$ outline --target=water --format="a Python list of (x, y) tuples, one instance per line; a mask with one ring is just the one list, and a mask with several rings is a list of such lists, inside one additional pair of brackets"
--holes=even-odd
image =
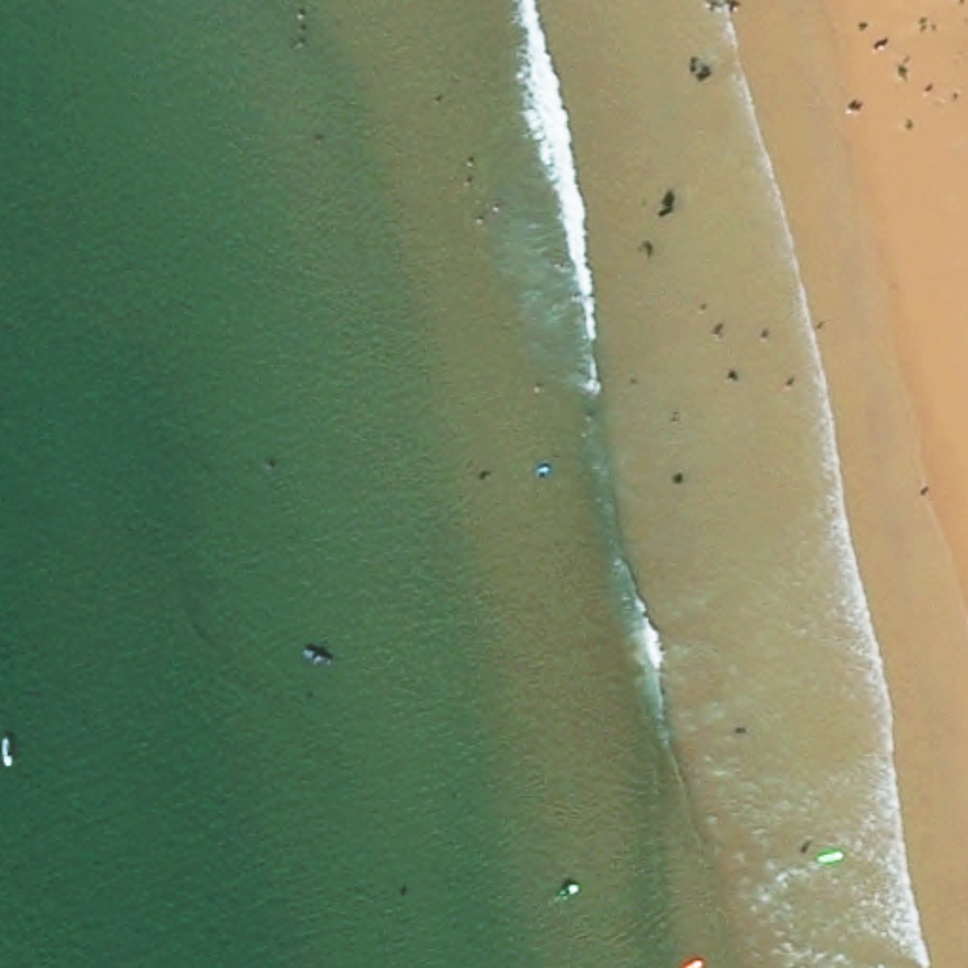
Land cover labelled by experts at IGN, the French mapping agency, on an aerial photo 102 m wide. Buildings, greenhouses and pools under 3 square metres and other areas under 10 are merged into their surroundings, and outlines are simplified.
[(703, 110), (722, 95), (722, 83), (696, 79), (688, 72), (688, 61), (673, 53), (669, 19), (681, 0), (0, 0), (0, 968), (870, 968), (870, 957), (862, 949), (866, 904), (855, 892), (851, 877), (839, 870), (839, 862), (824, 866), (817, 858), (824, 851), (843, 851), (843, 836), (824, 832), (817, 824), (809, 771), (813, 718), (805, 715), (805, 692), (813, 688), (813, 677), (790, 658), (790, 635), (775, 624), (775, 597), (768, 594), (756, 571), (756, 563), (764, 560), (764, 541), (752, 529), (756, 507), (745, 503), (741, 492), (718, 495), (715, 480), (703, 476), (703, 461), (711, 458), (711, 416), (726, 405), (730, 386), (718, 359), (688, 340), (684, 318), (673, 303), (673, 261), (684, 223), (700, 216), (700, 208), (711, 197), (715, 166), (703, 144)]

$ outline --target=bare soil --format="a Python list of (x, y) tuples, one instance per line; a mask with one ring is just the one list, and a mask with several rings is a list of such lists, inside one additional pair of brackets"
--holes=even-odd
[(669, 19), (673, 53), (688, 61), (688, 72), (696, 79), (722, 83), (722, 95), (703, 110), (703, 144), (715, 166), (711, 197), (700, 208), (700, 216), (684, 223), (673, 261), (673, 303), (684, 318), (688, 340), (718, 359), (730, 386), (726, 405), (711, 416), (711, 458), (703, 461), (703, 476), (715, 480), (718, 495), (741, 492), (745, 503), (756, 507), (752, 529), (764, 541), (764, 560), (756, 563), (756, 571), (768, 594), (775, 597), (775, 624), (790, 635), (790, 658), (813, 677), (813, 688), (805, 692), (805, 715), (813, 718), (809, 771), (817, 824), (824, 832), (843, 836), (843, 851), (824, 851), (817, 858), (824, 866), (839, 862), (839, 870), (851, 877), (855, 892), (866, 904), (862, 949), (870, 957), (870, 968), (968, 968), (968, 0), (681, 0)]

